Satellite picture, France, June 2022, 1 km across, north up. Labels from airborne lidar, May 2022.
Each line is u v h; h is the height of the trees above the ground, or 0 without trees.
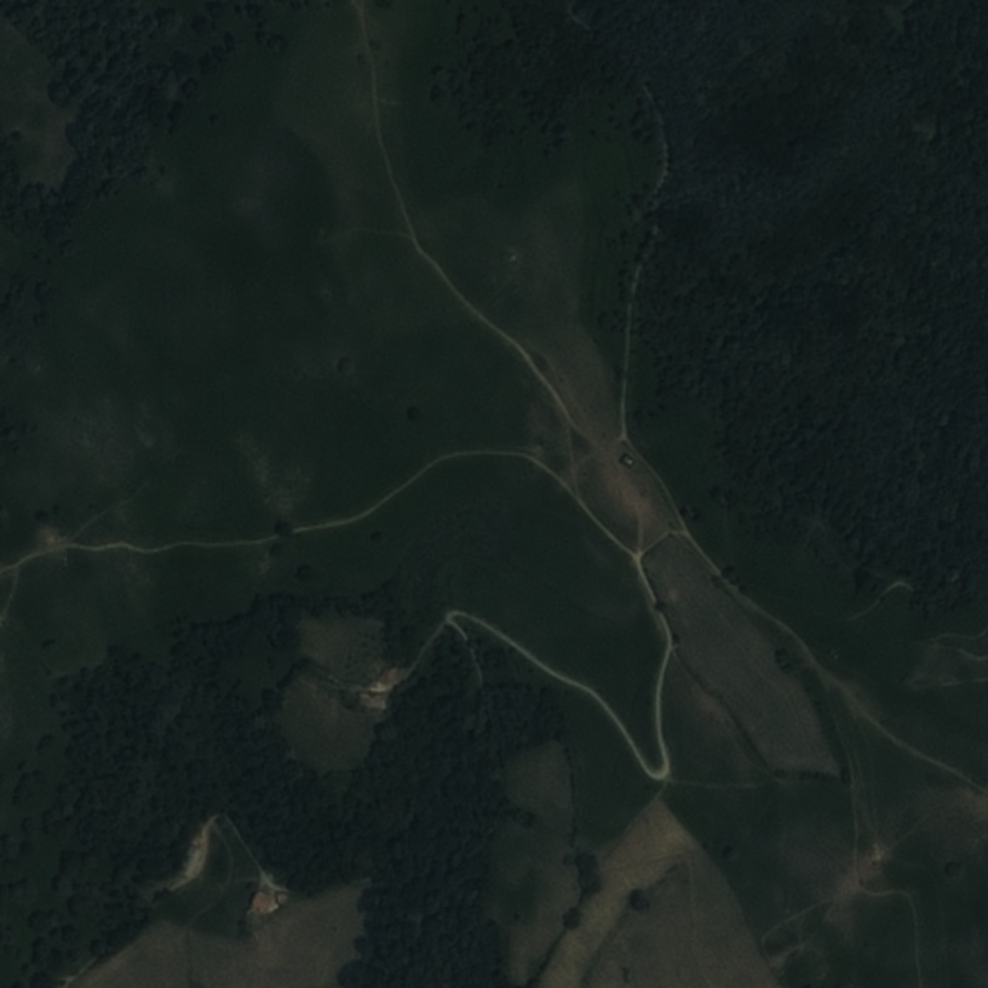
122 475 0
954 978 0
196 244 0
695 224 25
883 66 12
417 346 0
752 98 22
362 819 23
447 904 10
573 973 0
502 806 22
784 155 30
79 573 0
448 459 0
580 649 0
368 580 0
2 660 0
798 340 14
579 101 15
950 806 0
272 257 0
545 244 0
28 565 0
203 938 0
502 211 0
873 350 22
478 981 22
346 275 0
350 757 0
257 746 22
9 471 0
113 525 0
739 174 10
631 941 0
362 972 21
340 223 0
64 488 0
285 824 17
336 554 0
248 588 0
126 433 0
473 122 14
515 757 9
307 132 0
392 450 0
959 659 0
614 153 0
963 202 16
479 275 0
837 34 21
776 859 0
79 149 21
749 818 0
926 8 23
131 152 12
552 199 0
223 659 22
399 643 11
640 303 7
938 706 0
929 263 21
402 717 23
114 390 0
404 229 0
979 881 0
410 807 21
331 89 0
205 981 0
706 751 0
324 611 6
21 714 0
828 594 0
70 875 19
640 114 11
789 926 0
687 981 0
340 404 0
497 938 15
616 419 0
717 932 0
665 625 0
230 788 13
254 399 0
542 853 0
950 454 15
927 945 0
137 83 10
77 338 0
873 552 12
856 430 11
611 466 0
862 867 0
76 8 9
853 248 22
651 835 0
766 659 0
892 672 0
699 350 20
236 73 0
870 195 20
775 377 17
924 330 21
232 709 18
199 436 0
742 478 10
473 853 27
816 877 0
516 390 0
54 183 0
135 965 0
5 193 10
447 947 19
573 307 0
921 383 20
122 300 0
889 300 21
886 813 0
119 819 22
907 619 0
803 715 0
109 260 0
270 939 0
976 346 12
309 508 0
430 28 0
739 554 0
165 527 0
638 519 0
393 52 0
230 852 0
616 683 0
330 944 0
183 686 14
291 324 0
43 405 0
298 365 0
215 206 0
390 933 27
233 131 0
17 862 11
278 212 0
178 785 12
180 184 0
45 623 0
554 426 0
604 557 0
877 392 17
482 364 0
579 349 0
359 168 0
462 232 0
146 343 0
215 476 0
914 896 0
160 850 22
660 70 20
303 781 22
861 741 0
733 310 20
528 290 0
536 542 0
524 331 0
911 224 24
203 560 0
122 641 0
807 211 24
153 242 0
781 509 11
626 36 18
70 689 11
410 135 0
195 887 0
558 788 0
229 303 0
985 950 0
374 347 0
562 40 19
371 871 18
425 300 0
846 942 0
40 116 0
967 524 21
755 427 16
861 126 25
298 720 0
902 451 15
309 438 0
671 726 0
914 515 21
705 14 18
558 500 0
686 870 0
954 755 0
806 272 20
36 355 0
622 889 0
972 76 22
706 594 0
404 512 0
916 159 24
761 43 20
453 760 13
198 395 0
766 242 22
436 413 0
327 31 0
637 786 0
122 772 15
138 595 0
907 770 0
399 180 0
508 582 0
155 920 14
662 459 0
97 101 21
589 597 0
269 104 0
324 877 12
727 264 14
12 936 12
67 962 20
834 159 20
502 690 14
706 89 16
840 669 0
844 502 15
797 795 0
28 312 0
